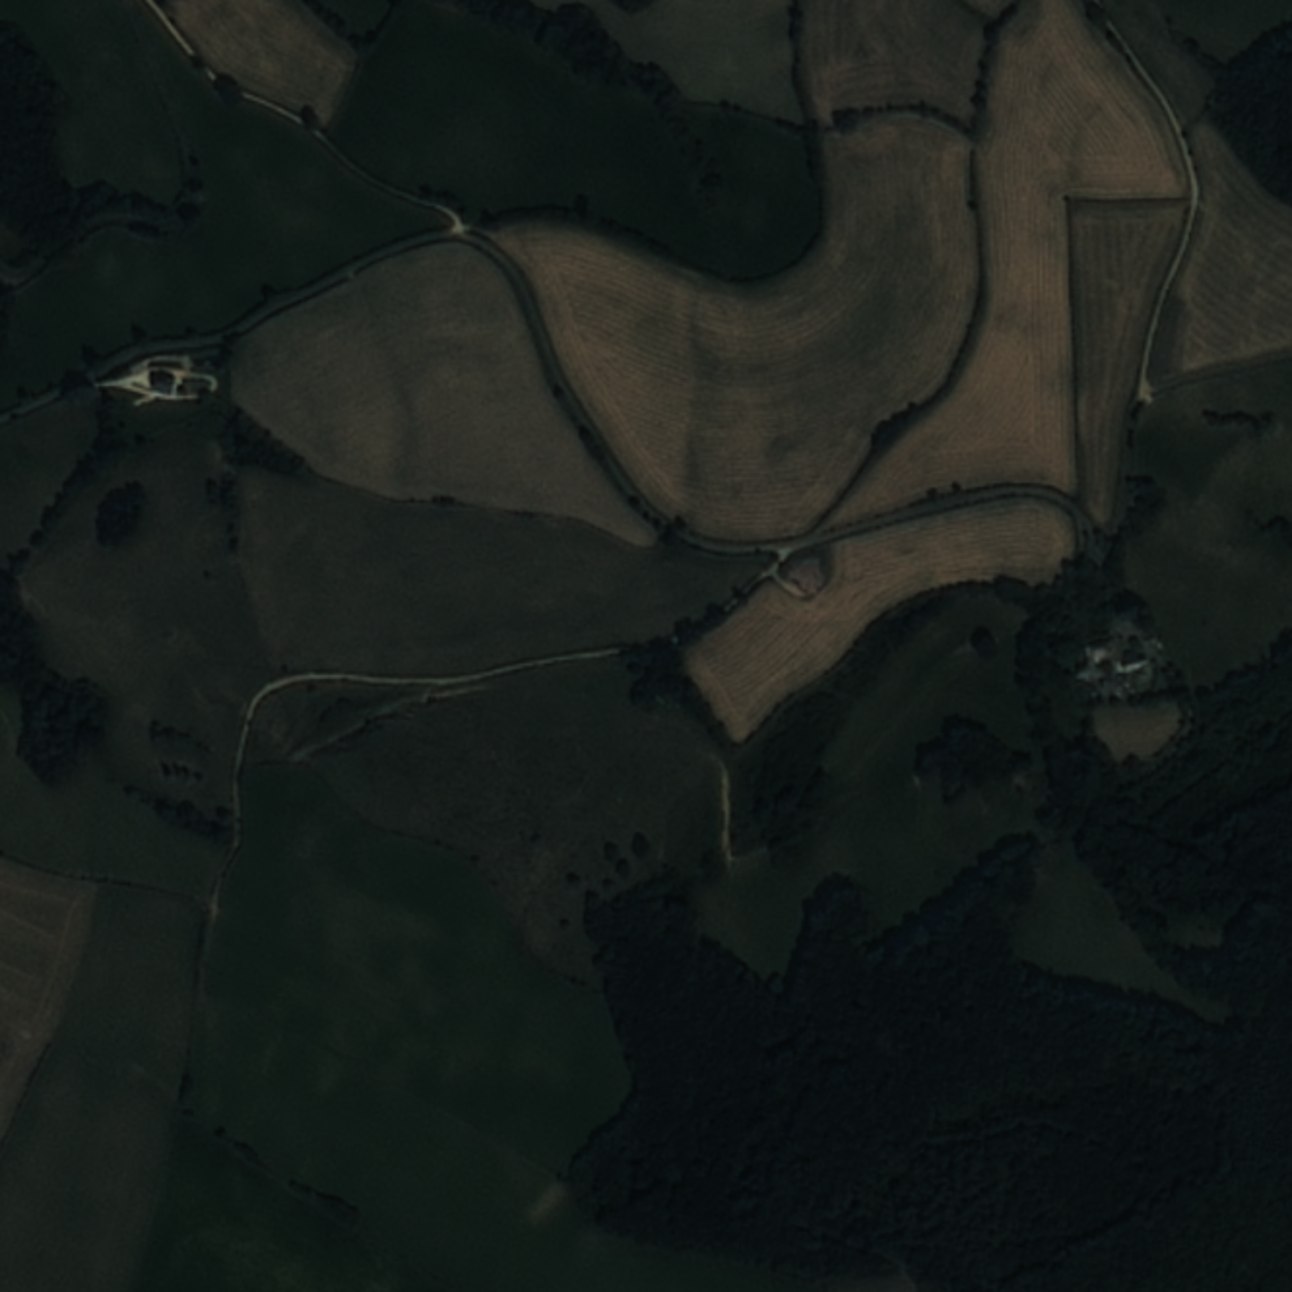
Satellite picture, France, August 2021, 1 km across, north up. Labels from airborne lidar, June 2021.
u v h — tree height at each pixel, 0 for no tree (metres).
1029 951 0
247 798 0
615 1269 0
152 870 0
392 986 0
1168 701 9
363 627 0
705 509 0
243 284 0
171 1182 0
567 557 0
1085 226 0
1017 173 0
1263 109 15
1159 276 0
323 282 0
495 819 0
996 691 0
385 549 0
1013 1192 8
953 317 0
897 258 0
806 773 8
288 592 0
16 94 26
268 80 0
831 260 0
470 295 0
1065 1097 9
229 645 0
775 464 0
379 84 0
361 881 0
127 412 0
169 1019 0
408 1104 0
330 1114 0
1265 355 0
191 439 0
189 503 0
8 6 0
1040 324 0
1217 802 12
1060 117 0
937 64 0
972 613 0
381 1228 0
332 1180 0
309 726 0
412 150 0
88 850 0
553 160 0
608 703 0
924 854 0
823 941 25
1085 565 14
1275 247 0
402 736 0
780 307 0
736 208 0
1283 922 13
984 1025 29
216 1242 0
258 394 0
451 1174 0
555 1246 0
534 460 0
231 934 0
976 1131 9
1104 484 0
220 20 0
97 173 0
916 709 0
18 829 0
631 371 0
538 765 0
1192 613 0
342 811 0
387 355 0
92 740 16
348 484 0
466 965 0
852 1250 8
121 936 0
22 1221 0
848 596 0
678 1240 15
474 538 0
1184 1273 19
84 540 0
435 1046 0
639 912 19
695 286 0
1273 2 0
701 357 0
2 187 16
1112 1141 10
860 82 0
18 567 7
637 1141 21
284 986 0
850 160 0
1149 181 0
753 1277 0
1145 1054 25
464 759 0
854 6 0
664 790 0
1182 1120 12
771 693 0
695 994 27
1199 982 19
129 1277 0
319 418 0
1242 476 0
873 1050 29
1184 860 31
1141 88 0
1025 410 0
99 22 0
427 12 0
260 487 0
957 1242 6
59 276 0
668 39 0
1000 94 0
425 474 0
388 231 0
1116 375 0
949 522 0
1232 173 0
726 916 0
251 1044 0
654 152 0
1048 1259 11
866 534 0
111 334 0
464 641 0
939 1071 34
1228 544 0
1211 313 0
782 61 0
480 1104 0
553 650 0
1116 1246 23
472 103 0
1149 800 11
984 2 0
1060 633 6
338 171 0
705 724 9
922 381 0
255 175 0
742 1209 19
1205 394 0
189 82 0
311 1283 0
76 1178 0
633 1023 21
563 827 0
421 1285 0
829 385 0
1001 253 0
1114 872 19
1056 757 20
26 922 0
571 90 0
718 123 0
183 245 0
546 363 0
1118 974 0
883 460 0
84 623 0
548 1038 0
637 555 0
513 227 0
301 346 0
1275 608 0
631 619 0
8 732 0
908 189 0
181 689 0
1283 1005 17
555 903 0
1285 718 11
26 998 0
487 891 0
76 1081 0
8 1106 0
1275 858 18
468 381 0
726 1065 27
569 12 12
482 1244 0
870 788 0
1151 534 0
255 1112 0
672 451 0
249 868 0
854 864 0
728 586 0
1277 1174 25
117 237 0
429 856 0
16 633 21
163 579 0
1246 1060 19
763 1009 24
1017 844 16
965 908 26
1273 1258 22
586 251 0
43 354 0
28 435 0
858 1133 28
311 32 0
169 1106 0
